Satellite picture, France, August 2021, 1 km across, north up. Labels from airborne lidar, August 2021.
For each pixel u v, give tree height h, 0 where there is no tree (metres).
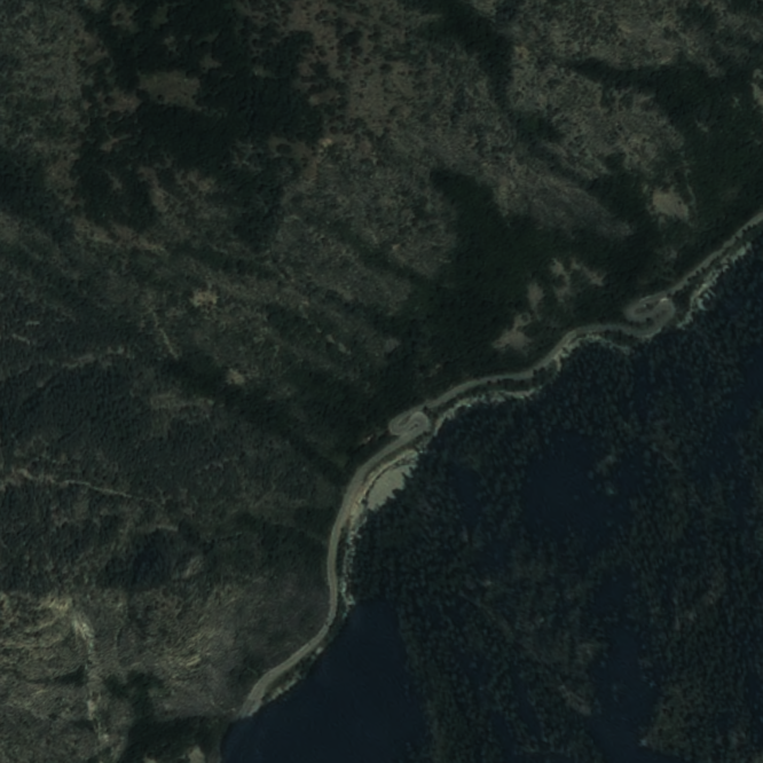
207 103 14
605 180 12
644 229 13
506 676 21
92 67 6
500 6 6
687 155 6
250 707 0
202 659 7
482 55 11
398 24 6
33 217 7
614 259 15
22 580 7
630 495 7
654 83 22
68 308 8
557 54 7
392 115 10
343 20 6
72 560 12
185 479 11
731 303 0
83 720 6
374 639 9
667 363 5
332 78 6
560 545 7
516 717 11
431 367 9
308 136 10
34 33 6
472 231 12
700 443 7
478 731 24
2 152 10
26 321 10
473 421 20
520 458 22
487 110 11
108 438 13
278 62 14
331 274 8
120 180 8
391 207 7
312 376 15
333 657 15
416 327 19
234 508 23
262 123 19
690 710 15
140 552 6
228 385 10
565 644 7
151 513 10
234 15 6
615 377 24
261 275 12
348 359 10
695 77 10
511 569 7
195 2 19
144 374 13
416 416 0
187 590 13
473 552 7
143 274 7
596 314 9
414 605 7
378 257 12
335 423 17
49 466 10
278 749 11
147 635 7
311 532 11
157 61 21
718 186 8
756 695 14
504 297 12
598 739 9
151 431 10
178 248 7
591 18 11
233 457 13
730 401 23
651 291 10
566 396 16
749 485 6
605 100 8
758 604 12
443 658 23
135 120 10
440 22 6
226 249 10
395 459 0
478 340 18
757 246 15
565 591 23
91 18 9
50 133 6
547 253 8
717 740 10
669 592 10
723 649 10
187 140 22
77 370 7
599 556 14
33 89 9
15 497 13
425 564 16
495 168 8
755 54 27
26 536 11
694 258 15
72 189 7
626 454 9
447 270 7
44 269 15
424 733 11
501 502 13
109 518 15
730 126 7
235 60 15
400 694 7
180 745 7
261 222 18
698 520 17
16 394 15
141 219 9
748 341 11
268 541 15
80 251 6
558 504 7
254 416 16
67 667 8
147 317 9
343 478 13
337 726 7
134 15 7
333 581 0
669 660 10
